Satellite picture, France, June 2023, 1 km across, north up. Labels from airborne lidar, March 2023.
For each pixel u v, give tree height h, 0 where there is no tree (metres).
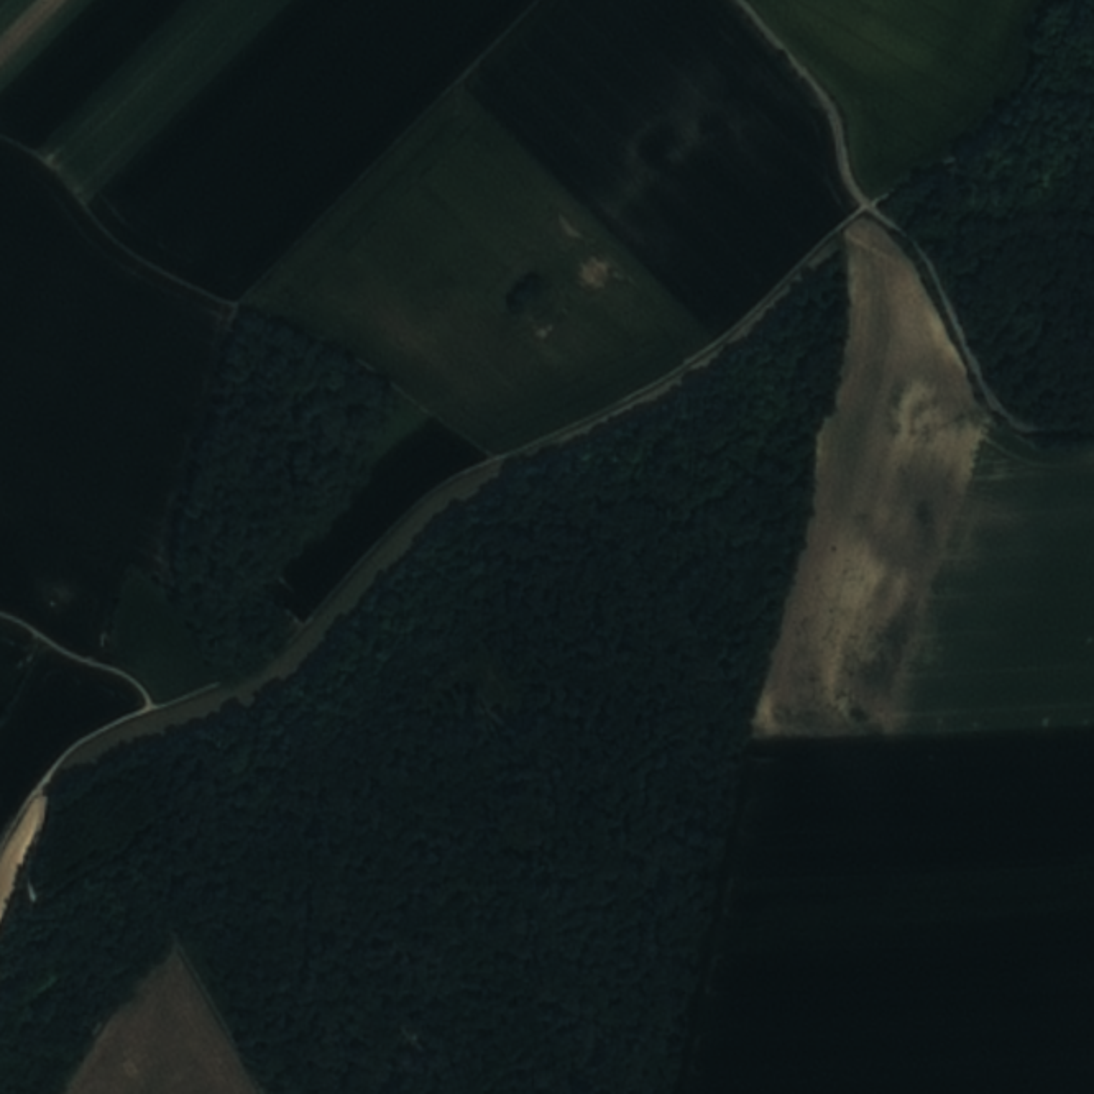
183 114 0
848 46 0
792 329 17
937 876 0
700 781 26
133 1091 0
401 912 29
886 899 0
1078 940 0
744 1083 0
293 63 0
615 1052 28
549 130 0
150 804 12
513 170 0
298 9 0
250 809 26
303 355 23
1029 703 0
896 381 0
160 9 0
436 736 25
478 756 24
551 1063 29
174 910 24
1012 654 0
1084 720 0
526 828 29
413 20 0
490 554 22
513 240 0
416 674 19
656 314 0
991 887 0
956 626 0
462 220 0
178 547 19
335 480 19
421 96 0
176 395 0
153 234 0
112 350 0
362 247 0
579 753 28
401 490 0
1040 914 0
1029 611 0
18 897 7
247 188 0
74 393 0
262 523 31
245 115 0
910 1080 0
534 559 23
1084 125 22
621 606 23
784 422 17
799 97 0
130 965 17
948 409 0
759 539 24
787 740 0
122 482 0
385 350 0
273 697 18
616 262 0
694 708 26
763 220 0
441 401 0
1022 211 27
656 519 22
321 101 0
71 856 8
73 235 0
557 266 0
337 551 0
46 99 0
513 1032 24
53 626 0
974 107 0
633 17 0
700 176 0
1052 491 0
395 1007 27
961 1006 0
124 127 0
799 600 0
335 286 0
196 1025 0
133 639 0
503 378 0
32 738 0
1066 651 0
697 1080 0
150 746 17
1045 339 27
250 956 24
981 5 0
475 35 0
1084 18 19
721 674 18
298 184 0
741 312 0
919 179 17
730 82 0
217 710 0
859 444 0
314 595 0
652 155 0
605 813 26
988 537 0
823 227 0
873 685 0
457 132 0
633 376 0
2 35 0
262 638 25
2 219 0
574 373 0
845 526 0
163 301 0
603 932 25
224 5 0
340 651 17
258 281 0
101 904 17
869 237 0
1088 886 0
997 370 22
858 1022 0
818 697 0
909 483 0
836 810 0
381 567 0
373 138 0
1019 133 21
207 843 24
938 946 0
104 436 0
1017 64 0
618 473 20
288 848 26
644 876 24
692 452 12
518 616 24
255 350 14
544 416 0
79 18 0
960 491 0
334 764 25
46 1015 19
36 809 0
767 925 0
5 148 0
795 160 0
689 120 0
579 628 18
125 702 0
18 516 0
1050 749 0
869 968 0
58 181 0
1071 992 0
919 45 0
